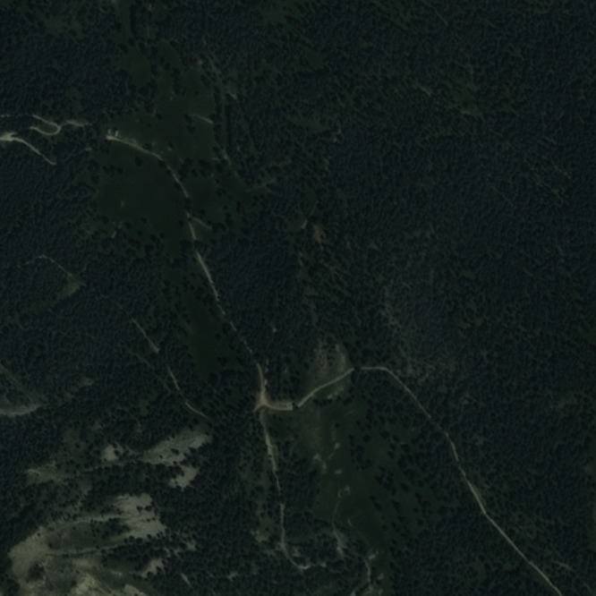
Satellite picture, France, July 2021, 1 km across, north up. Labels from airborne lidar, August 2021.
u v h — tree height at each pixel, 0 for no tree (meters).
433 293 13
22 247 24
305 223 0
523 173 31
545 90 14
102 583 0
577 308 29
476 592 7
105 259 11
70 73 15
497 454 12
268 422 0
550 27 14
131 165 0
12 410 0
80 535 0
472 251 24
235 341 25
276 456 0
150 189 0
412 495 0
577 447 24
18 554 0
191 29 14
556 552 9
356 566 9
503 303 21
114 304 21
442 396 22
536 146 26
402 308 11
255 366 22
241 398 0
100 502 11
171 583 11
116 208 0
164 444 0
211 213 0
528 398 9
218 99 18
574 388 14
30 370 20
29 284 15
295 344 19
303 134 18
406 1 15
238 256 23
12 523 16
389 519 0
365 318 22
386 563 0
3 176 21
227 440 19
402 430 0
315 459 0
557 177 21
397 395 19
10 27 14
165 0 11
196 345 0
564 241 26
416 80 14
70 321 20
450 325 19
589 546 9
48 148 26
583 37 19
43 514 14
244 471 8
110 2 0
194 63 20
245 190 0
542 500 17
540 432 21
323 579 16
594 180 25
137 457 8
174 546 13
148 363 14
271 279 21
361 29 19
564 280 29
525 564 19
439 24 26
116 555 11
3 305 16
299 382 22
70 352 18
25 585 0
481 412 20
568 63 16
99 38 21
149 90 24
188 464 8
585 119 20
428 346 10
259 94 16
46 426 14
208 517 11
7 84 20
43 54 21
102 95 18
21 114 11
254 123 19
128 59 0
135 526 0
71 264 12
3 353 21
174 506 11
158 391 16
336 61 21
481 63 17
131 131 0
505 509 14
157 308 14
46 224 23
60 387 19
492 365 18
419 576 10
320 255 28
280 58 26
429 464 14
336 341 7
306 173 20
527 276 21
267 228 16
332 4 21
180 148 0
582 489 15
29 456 15
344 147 17
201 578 15
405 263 18
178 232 0
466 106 14
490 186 24
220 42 15
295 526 20
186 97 0
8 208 22
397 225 15
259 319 23
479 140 18
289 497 18
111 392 17
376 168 17
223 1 20
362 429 12
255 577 16
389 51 20
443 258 21
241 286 18
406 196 18
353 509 0
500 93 15
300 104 15
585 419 22
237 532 21
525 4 11
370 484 0
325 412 0
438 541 9
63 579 0
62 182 20
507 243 20
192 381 22
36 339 21
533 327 15
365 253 21
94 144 16
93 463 18
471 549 16
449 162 15
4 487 17
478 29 21
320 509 0
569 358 24
